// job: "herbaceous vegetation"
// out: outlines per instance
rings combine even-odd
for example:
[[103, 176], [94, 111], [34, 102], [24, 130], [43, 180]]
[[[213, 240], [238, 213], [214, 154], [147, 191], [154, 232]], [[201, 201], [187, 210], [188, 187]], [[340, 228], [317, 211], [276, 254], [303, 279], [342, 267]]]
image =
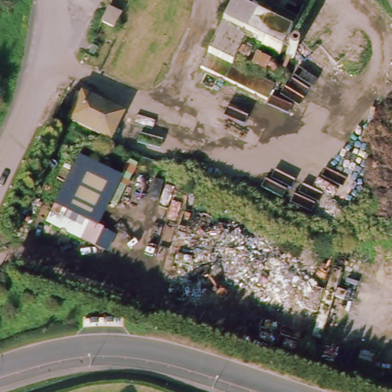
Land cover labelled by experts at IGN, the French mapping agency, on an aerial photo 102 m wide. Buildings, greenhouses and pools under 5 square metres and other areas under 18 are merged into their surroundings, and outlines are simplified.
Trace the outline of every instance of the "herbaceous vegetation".
[[392, 31], [392, 0], [371, 0]]
[[44, 302], [38, 302], [37, 297], [31, 297], [21, 303], [20, 308], [14, 308], [6, 296], [6, 289], [0, 292], [0, 338], [8, 337], [21, 329], [41, 325], [49, 317], [66, 317], [70, 309], [77, 305], [77, 299], [73, 297], [64, 300], [63, 305], [55, 303], [54, 306], [47, 306]]
[[118, 34], [106, 31], [103, 44], [98, 57], [90, 55], [81, 60], [90, 66], [92, 73], [100, 73], [119, 83], [129, 84], [135, 87], [136, 92], [152, 92], [159, 84], [164, 83], [165, 77], [170, 73], [171, 61], [175, 60], [176, 52], [187, 34], [190, 12], [187, 11], [187, 5], [190, 0], [113, 0], [112, 5], [118, 8], [121, 14], [126, 15], [127, 23]]
[[139, 380], [145, 386], [161, 386], [175, 392], [207, 392], [155, 372], [110, 369], [52, 378], [11, 392], [57, 392], [67, 387], [100, 380]]
[[17, 75], [23, 60], [32, 0], [0, 0], [0, 124], [8, 115], [12, 96], [17, 87]]
[[60, 121], [72, 116], [78, 96], [69, 90], [63, 101], [57, 104], [52, 115]]

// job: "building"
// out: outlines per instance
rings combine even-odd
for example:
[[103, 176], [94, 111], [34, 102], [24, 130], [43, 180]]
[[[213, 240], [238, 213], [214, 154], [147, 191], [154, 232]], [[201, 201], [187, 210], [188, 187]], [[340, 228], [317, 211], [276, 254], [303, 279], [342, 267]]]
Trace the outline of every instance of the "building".
[[83, 318], [84, 328], [124, 328], [124, 318], [110, 320], [110, 312], [90, 312], [89, 318]]
[[90, 49], [86, 49], [90, 55], [98, 57], [103, 44], [92, 44]]
[[113, 136], [121, 119], [121, 110], [112, 101], [104, 100], [96, 93], [86, 93], [83, 89], [78, 92], [78, 96], [72, 116], [72, 121], [78, 122], [84, 129]]
[[47, 222], [60, 228], [61, 233], [72, 234], [78, 239], [87, 242], [98, 240], [101, 248], [104, 245], [112, 245], [116, 234], [103, 227], [100, 220], [106, 211], [110, 210], [110, 202], [118, 204], [124, 187], [129, 185], [130, 176], [136, 168], [136, 161], [133, 159], [127, 164], [126, 171], [116, 171], [101, 164], [100, 161], [93, 161], [92, 156], [78, 153], [70, 165], [67, 178], [61, 182], [63, 185], [55, 199], [57, 204], [52, 205], [52, 211], [46, 217]]
[[121, 14], [118, 8], [112, 5], [106, 9], [103, 15], [104, 26], [115, 26]]
[[294, 103], [306, 100], [312, 84], [318, 80], [308, 70], [300, 70], [299, 64], [296, 64], [289, 73], [288, 83], [283, 84], [271, 78], [271, 69], [276, 69], [277, 64], [263, 52], [256, 52], [253, 63], [269, 67], [263, 78], [245, 75], [231, 66], [233, 55], [245, 57], [250, 54], [251, 47], [242, 41], [245, 37], [254, 37], [265, 46], [273, 47], [277, 52], [282, 51], [282, 43], [289, 41], [283, 66], [288, 67], [289, 61], [292, 60], [300, 38], [300, 31], [294, 31], [296, 21], [271, 9], [263, 8], [253, 0], [224, 0], [217, 6], [216, 17], [211, 28], [216, 34], [208, 46], [208, 52], [213, 55], [208, 58], [207, 64], [201, 66], [201, 70], [217, 80], [224, 81], [225, 86], [250, 96], [253, 100], [269, 101], [289, 110]]

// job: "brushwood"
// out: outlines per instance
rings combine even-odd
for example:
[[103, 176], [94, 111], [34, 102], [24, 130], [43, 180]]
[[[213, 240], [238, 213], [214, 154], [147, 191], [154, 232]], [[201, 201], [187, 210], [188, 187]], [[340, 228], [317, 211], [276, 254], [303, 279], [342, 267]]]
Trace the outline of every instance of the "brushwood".
[[101, 164], [116, 171], [126, 171], [127, 164], [133, 159], [136, 161], [136, 168], [162, 173], [165, 181], [178, 185], [179, 191], [175, 198], [185, 198], [187, 194], [193, 194], [194, 207], [207, 211], [213, 219], [227, 217], [237, 220], [248, 230], [265, 237], [268, 242], [282, 243], [283, 253], [292, 254], [294, 257], [300, 256], [303, 250], [311, 250], [312, 259], [320, 265], [323, 262], [331, 265], [335, 257], [341, 253], [348, 253], [349, 259], [361, 260], [364, 263], [374, 263], [375, 256], [386, 260], [392, 259], [392, 92], [389, 92], [386, 98], [375, 100], [374, 118], [364, 119], [360, 121], [360, 126], [355, 127], [358, 139], [366, 147], [366, 158], [360, 162], [364, 171], [361, 175], [355, 176], [354, 188], [349, 191], [348, 199], [334, 196], [334, 202], [340, 207], [341, 214], [332, 217], [332, 220], [306, 216], [300, 210], [299, 204], [288, 204], [283, 199], [276, 199], [274, 194], [265, 188], [257, 191], [245, 182], [233, 182], [227, 178], [208, 178], [193, 161], [176, 164], [173, 161], [145, 158], [135, 150], [126, 150], [122, 145], [113, 144], [113, 136], [84, 129], [78, 122], [72, 121], [72, 116], [60, 121], [52, 115], [49, 121], [37, 127], [32, 135], [28, 152], [23, 156], [24, 165], [18, 165], [17, 171], [11, 175], [12, 190], [6, 191], [0, 205], [0, 292], [6, 289], [6, 296], [14, 308], [20, 308], [21, 303], [31, 297], [37, 297], [38, 302], [44, 302], [47, 306], [54, 306], [55, 303], [63, 305], [64, 300], [73, 297], [77, 299], [77, 305], [70, 309], [66, 317], [49, 317], [41, 325], [21, 329], [8, 337], [0, 338], [0, 354], [34, 341], [67, 337], [84, 328], [83, 318], [89, 318], [90, 312], [110, 312], [110, 320], [124, 318], [124, 328], [130, 335], [139, 337], [144, 337], [145, 334], [161, 335], [162, 332], [171, 332], [190, 338], [194, 343], [210, 343], [211, 348], [216, 348], [230, 357], [265, 364], [269, 369], [282, 374], [296, 375], [320, 387], [340, 392], [392, 392], [392, 389], [375, 386], [371, 381], [361, 377], [349, 377], [346, 372], [334, 371], [326, 364], [288, 354], [282, 349], [266, 348], [248, 338], [237, 337], [230, 332], [220, 332], [207, 323], [194, 322], [193, 318], [182, 317], [176, 312], [159, 311], [145, 315], [132, 306], [118, 305], [84, 292], [72, 291], [51, 280], [18, 273], [17, 269], [24, 263], [21, 253], [29, 231], [38, 222], [47, 222], [46, 217], [52, 211], [52, 205], [57, 204], [55, 199], [63, 185], [61, 182], [67, 178], [70, 165], [78, 153], [92, 156], [93, 161], [100, 161]]
[[115, 26], [104, 26], [103, 15], [106, 9], [100, 6], [93, 15], [92, 26], [87, 34], [87, 41], [92, 44], [103, 44], [106, 31], [118, 34], [127, 23], [126, 15], [121, 14]]
[[338, 73], [358, 77], [366, 70], [372, 57], [372, 43], [371, 37], [364, 32], [361, 35], [364, 49], [360, 54], [360, 60], [346, 60], [345, 54], [341, 52], [335, 58], [337, 63], [334, 69]]
[[292, 60], [289, 61], [288, 67], [283, 66], [289, 41], [282, 43], [282, 51], [277, 52], [273, 47], [265, 46], [254, 37], [245, 37], [242, 41], [251, 47], [250, 54], [245, 57], [233, 55], [231, 66], [245, 75], [263, 78], [269, 67], [253, 63], [256, 52], [263, 52], [277, 64], [276, 69], [271, 69], [271, 78], [283, 84], [288, 83], [289, 73], [296, 64], [296, 60]]

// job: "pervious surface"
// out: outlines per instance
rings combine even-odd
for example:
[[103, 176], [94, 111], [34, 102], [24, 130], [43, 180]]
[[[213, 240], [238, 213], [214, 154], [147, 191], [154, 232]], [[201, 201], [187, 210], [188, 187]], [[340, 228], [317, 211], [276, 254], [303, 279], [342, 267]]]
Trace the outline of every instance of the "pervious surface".
[[[265, 188], [274, 194], [276, 199], [283, 199], [288, 204], [299, 204], [300, 210], [306, 216], [332, 220], [332, 217], [341, 214], [340, 207], [334, 202], [334, 196], [348, 199], [349, 191], [354, 188], [355, 176], [361, 175], [364, 171], [360, 162], [366, 158], [366, 147], [358, 139], [355, 127], [360, 126], [360, 121], [364, 119], [374, 118], [375, 100], [386, 98], [389, 92], [392, 92], [392, 31], [371, 0], [253, 0], [263, 8], [271, 9], [296, 21], [294, 31], [300, 31], [300, 38], [292, 60], [296, 60], [296, 64], [299, 64], [300, 70], [308, 70], [318, 80], [312, 84], [306, 100], [294, 103], [289, 110], [269, 101], [253, 100], [250, 96], [225, 86], [224, 81], [217, 80], [201, 70], [201, 66], [207, 64], [208, 58], [213, 55], [208, 52], [208, 46], [216, 34], [211, 28], [216, 17], [208, 21], [202, 18], [202, 12], [196, 9], [191, 9], [190, 12], [187, 34], [176, 52], [175, 60], [171, 61], [170, 73], [165, 77], [164, 83], [159, 84], [152, 92], [136, 92], [135, 87], [129, 84], [119, 83], [100, 73], [92, 73], [78, 81], [83, 89], [86, 93], [96, 93], [104, 100], [112, 101], [121, 110], [121, 119], [113, 136], [113, 144], [122, 145], [126, 150], [135, 150], [145, 158], [173, 161], [176, 164], [193, 161], [208, 178], [227, 178], [233, 182], [245, 182], [257, 191]], [[334, 69], [337, 63], [335, 58], [341, 52], [345, 54], [346, 60], [360, 60], [360, 54], [364, 49], [361, 35], [364, 32], [371, 37], [372, 43], [372, 57], [366, 70], [358, 77], [338, 73]]]
[[193, 318], [194, 322], [207, 323], [220, 332], [230, 332], [237, 337], [248, 338], [266, 348], [282, 349], [288, 354], [326, 364], [334, 371], [346, 372], [349, 377], [361, 377], [371, 381], [375, 386], [392, 389], [392, 259], [386, 260], [375, 256], [374, 263], [364, 263], [361, 260], [349, 259], [348, 253], [341, 253], [335, 257], [331, 265], [323, 262], [320, 265], [312, 259], [311, 250], [303, 250], [300, 256], [294, 257], [292, 254], [283, 253], [282, 243], [268, 242], [265, 237], [248, 230], [237, 220], [227, 217], [213, 219], [207, 211], [194, 207], [193, 194], [187, 194], [185, 198], [175, 198], [179, 191], [178, 185], [165, 181], [162, 173], [136, 168], [130, 176], [129, 185], [124, 187], [118, 204], [110, 202], [110, 210], [106, 211], [100, 220], [103, 227], [116, 234], [112, 245], [104, 245], [101, 248], [98, 240], [87, 242], [78, 239], [72, 234], [61, 233], [60, 228], [47, 222], [38, 222], [29, 231], [21, 253], [24, 263], [17, 269], [18, 273], [51, 280], [72, 291], [84, 292], [118, 305], [132, 306], [145, 315], [159, 311], [176, 312], [182, 317]]
[[175, 392], [161, 386], [145, 386], [139, 380], [100, 380], [67, 387], [57, 392]]

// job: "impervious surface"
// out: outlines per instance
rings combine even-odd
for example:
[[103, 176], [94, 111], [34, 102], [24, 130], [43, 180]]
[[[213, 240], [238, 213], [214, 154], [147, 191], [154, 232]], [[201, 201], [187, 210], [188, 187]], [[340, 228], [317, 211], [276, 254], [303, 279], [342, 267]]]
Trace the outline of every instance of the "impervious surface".
[[190, 12], [191, 9], [196, 9], [202, 12], [202, 18], [208, 21], [216, 17], [217, 6], [224, 0], [190, 0], [187, 5], [187, 11]]
[[34, 341], [0, 354], [0, 392], [11, 392], [52, 378], [110, 369], [155, 372], [207, 392], [340, 392], [320, 387], [296, 375], [282, 374], [269, 369], [265, 364], [230, 357], [216, 348], [211, 348], [210, 343], [194, 343], [190, 338], [171, 332], [162, 332], [161, 335], [145, 334], [144, 337], [139, 337], [130, 335], [124, 328], [84, 328], [67, 337]]
[[90, 66], [81, 60], [90, 55], [86, 49], [90, 49], [92, 44], [87, 41], [87, 34], [92, 26], [93, 15], [100, 6], [106, 9], [112, 5], [113, 0], [32, 0], [23, 60], [17, 75], [17, 87], [12, 96], [8, 115], [0, 124], [0, 205], [6, 191], [12, 190], [11, 175], [17, 171], [18, 165], [24, 165], [23, 156], [28, 152], [32, 135], [37, 127], [49, 121], [52, 115], [57, 104], [63, 101], [69, 90], [78, 96], [78, 92], [83, 89], [78, 81], [92, 73]]

